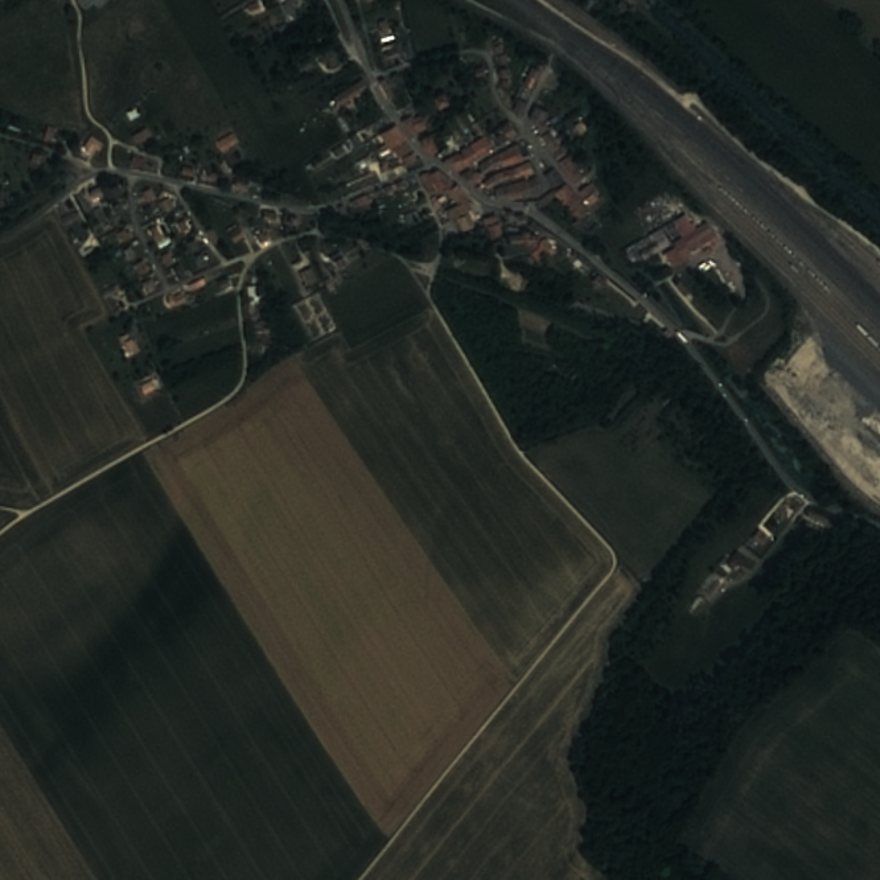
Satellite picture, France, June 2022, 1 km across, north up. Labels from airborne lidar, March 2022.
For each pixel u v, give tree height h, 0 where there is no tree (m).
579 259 0
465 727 0
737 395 0
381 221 13
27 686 0
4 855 0
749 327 0
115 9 0
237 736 0
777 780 0
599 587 0
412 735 0
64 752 0
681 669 0
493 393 5
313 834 0
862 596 10
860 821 0
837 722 0
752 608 0
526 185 0
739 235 0
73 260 0
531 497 0
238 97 0
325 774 0
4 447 0
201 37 0
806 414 0
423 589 0
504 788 0
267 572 0
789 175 6
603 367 8
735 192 0
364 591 0
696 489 0
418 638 0
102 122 0
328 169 0
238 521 0
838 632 8
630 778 18
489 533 0
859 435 0
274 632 0
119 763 0
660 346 16
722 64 0
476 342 10
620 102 0
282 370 0
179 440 0
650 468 0
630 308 0
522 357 6
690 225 0
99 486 0
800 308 0
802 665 9
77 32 0
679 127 0
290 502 0
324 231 9
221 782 0
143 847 0
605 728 17
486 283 9
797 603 20
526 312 0
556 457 0
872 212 0
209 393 0
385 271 0
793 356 0
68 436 0
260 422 0
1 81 0
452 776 0
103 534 0
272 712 0
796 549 25
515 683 0
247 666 0
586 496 0
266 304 8
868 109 0
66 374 0
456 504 0
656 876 8
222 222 0
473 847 0
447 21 0
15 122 11
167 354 11
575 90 12
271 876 0
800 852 0
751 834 0
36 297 0
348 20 0
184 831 0
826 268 0
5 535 0
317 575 0
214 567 0
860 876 0
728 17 0
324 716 0
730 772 0
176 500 0
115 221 0
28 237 0
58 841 0
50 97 0
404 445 0
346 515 0
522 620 0
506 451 0
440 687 0
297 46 17
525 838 0
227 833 0
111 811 0
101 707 0
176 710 0
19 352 0
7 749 0
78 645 0
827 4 0
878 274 0
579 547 0
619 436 0
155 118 0
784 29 0
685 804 14
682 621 0
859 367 0
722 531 0
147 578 0
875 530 18
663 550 0
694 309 0
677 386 18
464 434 0
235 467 0
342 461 0
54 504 0
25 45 0
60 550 0
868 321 0
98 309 0
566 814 0
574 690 0
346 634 0
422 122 0
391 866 0
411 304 0
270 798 0
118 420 0
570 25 0
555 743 0
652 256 11
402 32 0
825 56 0
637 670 25
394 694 0
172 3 0
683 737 18
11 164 0
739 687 18
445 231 0
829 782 0
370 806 0
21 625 0
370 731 0
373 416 0
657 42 0
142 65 0
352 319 0
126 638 0
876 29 0
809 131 14
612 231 0
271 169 0
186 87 0
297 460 0
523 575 0
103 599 0
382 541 0
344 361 0
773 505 0
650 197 0
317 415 0
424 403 0
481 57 0
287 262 0
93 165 0
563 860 0
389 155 0
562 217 0
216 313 0
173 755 0
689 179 0
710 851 0
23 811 0
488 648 0
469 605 0
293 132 0
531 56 16
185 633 0
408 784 0
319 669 0
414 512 0
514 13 0
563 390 7
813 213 0
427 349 0
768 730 0
